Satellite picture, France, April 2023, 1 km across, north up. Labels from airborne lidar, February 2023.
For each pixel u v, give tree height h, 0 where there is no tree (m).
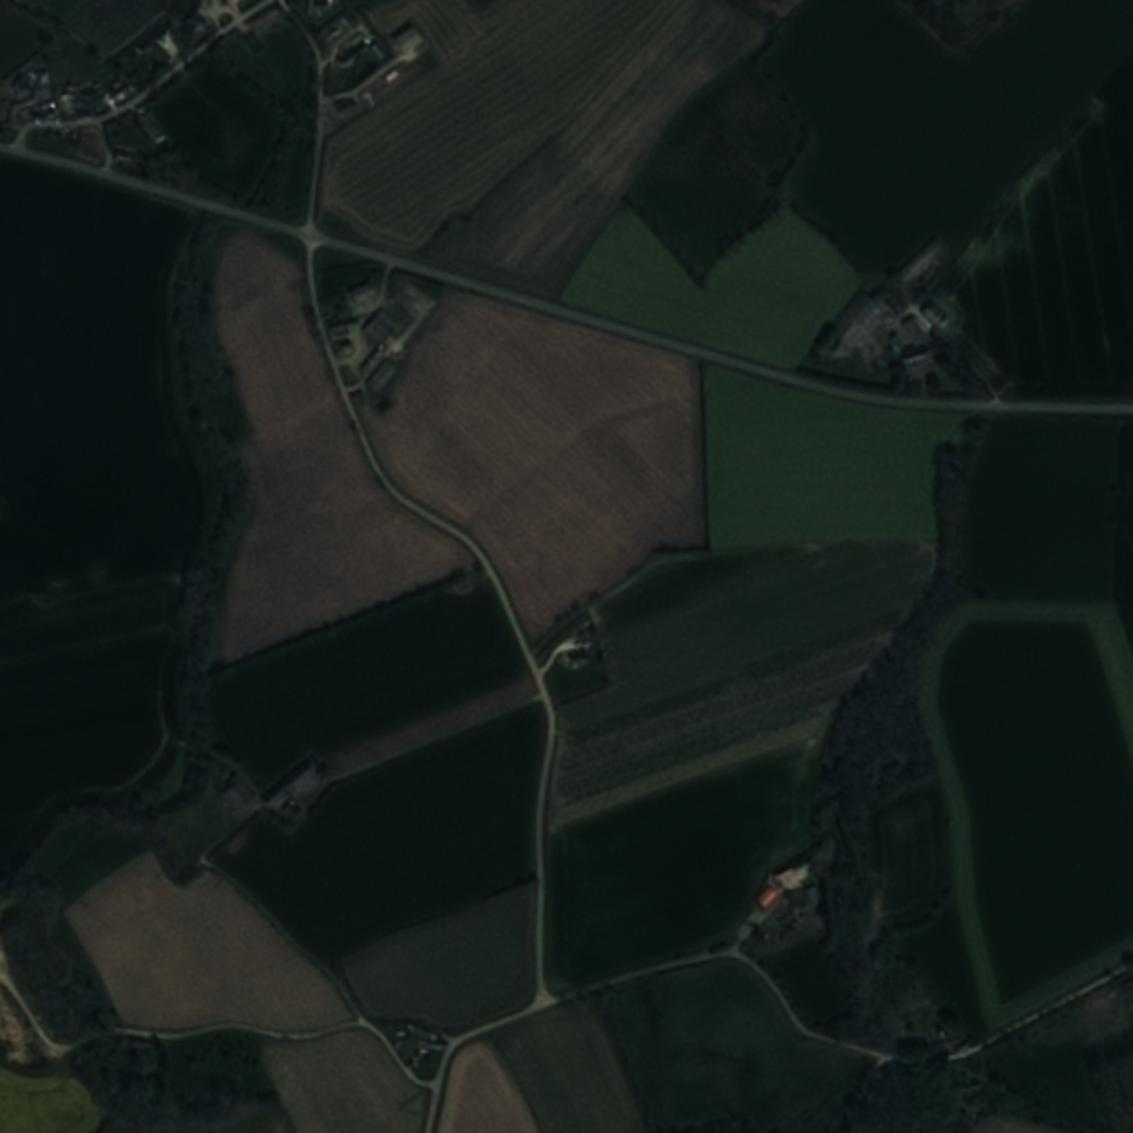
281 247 0
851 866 8
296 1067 0
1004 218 0
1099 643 0
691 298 0
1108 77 0
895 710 22
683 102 0
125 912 0
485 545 0
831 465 0
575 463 0
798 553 0
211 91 0
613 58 0
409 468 0
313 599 0
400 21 0
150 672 0
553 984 0
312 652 0
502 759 0
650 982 0
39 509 0
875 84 0
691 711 0
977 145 0
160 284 0
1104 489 0
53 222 0
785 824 0
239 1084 0
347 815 0
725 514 0
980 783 0
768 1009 0
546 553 0
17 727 0
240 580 0
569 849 0
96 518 0
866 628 0
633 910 0
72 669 0
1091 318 0
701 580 0
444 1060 0
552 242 0
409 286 0
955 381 7
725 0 0
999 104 0
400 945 0
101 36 0
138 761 0
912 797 0
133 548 0
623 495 0
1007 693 0
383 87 0
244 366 0
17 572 0
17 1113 0
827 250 0
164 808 0
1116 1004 0
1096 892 0
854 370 0
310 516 0
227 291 0
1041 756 0
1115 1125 24
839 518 0
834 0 0
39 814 0
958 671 0
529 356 0
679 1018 0
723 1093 0
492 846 0
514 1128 0
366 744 0
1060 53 0
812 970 0
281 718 0
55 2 0
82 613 0
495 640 0
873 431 0
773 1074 0
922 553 0
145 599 0
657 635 0
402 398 0
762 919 0
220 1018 0
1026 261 0
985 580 0
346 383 0
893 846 0
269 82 0
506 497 0
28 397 0
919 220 0
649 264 0
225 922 0
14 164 0
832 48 0
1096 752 0
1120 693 0
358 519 0
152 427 0
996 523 0
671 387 0
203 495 0
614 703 0
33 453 0
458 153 0
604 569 0
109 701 0
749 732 0
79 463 0
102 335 0
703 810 0
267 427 0
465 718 0
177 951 0
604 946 0
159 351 0
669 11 0
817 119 0
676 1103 0
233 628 0
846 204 0
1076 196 0
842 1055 0
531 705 0
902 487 0
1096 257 0
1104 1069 28
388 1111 0
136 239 0
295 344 0
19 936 20
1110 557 0
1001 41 0
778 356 0
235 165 0
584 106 0
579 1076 0
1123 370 0
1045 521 0
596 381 0
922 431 0
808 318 0
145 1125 26
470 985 0
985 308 0
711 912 0
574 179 0
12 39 0
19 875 11
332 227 0
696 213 0
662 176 0
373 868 0
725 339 0
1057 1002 0
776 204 14
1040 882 0
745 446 0
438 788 0
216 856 0
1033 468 0
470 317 0
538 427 0
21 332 0
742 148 0
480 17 0
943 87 0
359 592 0
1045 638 0
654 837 0
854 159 0
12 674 0
